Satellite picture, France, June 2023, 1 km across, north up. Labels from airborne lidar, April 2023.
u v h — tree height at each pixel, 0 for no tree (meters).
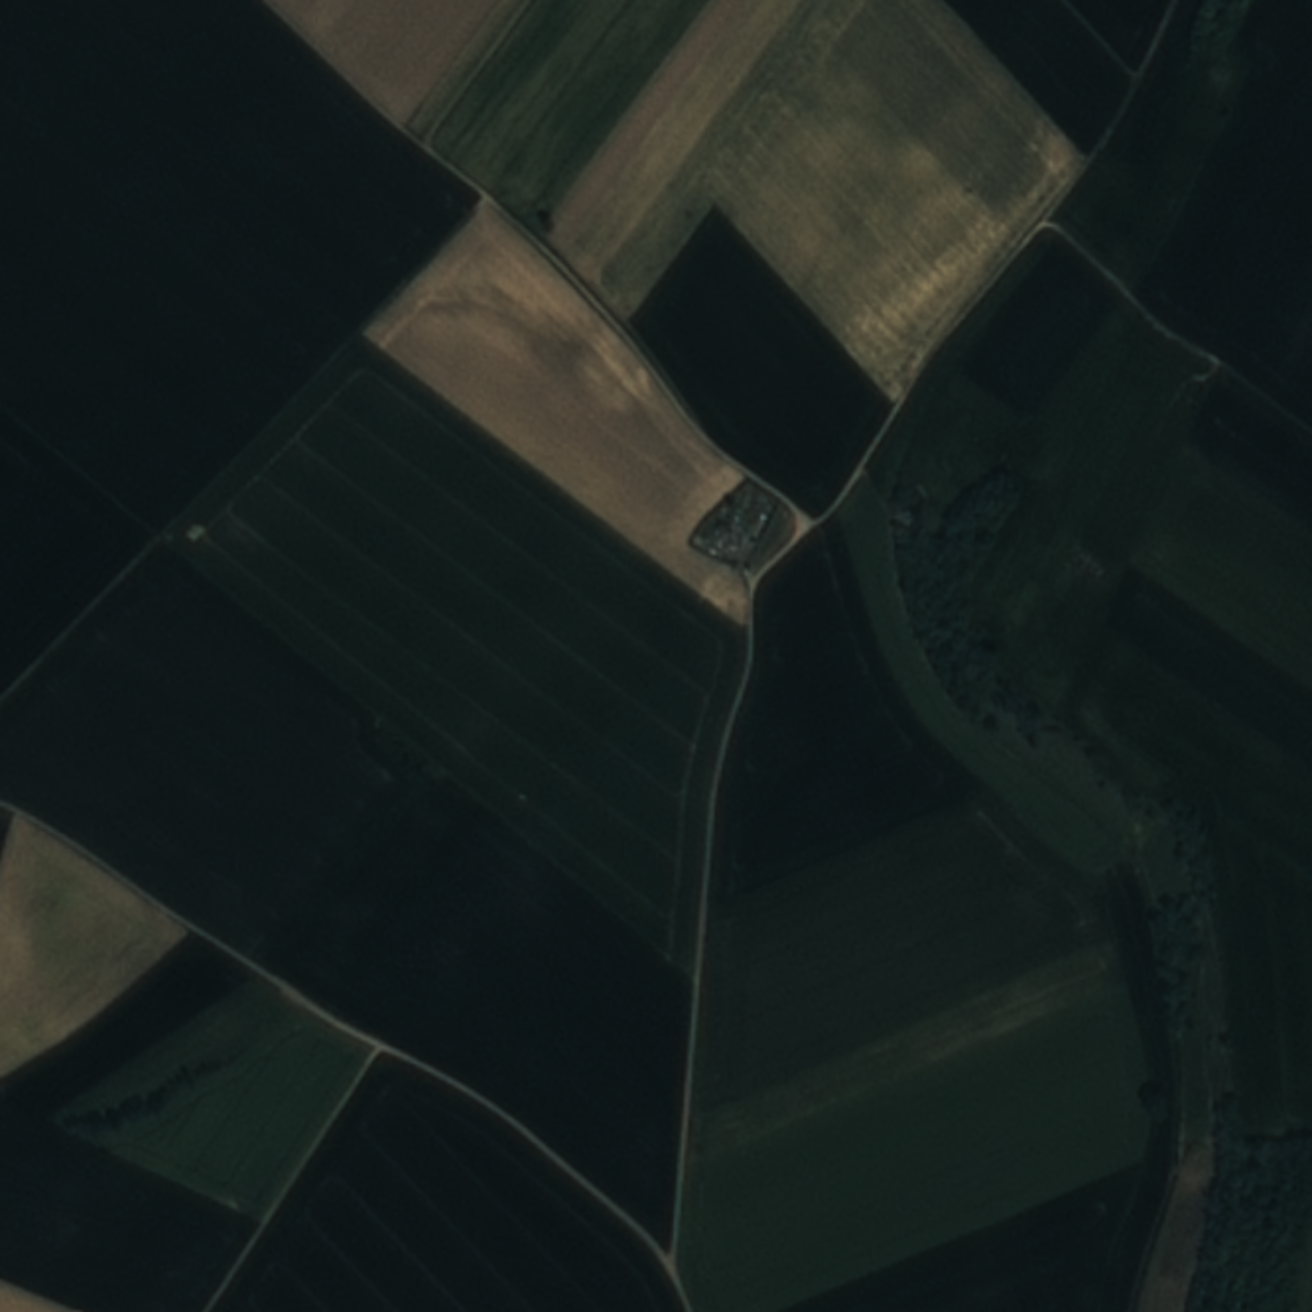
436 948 0
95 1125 15
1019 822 0
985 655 14
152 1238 0
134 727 0
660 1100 0
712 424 0
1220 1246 14
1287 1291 13
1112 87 0
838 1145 0
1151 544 0
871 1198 0
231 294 0
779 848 0
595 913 0
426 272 0
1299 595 0
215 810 0
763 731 0
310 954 0
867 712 0
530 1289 0
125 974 0
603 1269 0
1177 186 0
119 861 0
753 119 0
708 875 0
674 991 0
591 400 0
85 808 0
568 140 0
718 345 0
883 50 0
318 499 0
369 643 0
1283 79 0
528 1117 0
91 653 0
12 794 0
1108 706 0
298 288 0
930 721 0
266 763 0
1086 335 0
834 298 0
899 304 0
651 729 0
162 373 0
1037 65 0
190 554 0
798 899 0
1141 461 0
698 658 0
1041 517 0
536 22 0
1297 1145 14
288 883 0
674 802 0
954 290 0
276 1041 0
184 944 0
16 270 0
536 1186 0
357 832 0
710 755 0
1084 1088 0
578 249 0
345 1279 0
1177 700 0
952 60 0
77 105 0
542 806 0
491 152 0
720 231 0
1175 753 0
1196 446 0
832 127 0
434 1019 0
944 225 0
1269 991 0
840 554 0
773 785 0
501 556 0
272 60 0
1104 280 0
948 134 0
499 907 0
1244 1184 21
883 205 0
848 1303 0
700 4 0
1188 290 0
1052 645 0
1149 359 0
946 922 0
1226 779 0
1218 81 0
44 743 0
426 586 0
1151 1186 0
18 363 0
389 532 0
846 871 0
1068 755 0
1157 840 0
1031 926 0
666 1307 0
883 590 0
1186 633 0
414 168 0
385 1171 0
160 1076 0
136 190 0
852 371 0
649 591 0
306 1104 0
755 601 0
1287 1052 0
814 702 0
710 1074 0
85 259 0
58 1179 0
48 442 0
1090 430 0
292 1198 0
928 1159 0
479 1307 0
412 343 0
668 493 0
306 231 0
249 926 0
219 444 0
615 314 0
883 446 0
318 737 0
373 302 0
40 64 0
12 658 0
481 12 0
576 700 0
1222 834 0
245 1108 0
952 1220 0
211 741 0
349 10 0
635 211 0
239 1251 0
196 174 0
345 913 0
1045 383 0
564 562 0
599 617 0
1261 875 0
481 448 0
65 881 0
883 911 0
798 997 0
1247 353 0
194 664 0
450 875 0
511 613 0
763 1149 0
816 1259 0
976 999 0
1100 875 0
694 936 0
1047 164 0
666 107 0
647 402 0
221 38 0
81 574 0
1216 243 0
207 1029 0
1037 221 0
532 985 0
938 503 0
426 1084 0
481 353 0
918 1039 0
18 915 0
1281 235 0
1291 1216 14
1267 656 0
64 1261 0
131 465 0
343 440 0
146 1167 0
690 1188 0
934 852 0
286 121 0
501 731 0
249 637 0
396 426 0
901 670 0
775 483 0
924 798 0
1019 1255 0
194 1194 0
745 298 0
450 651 0
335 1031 0
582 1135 0
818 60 0
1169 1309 0
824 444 0
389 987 0
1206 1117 0
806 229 0
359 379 0
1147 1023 0
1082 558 0
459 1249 0
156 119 0
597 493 0
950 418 0
